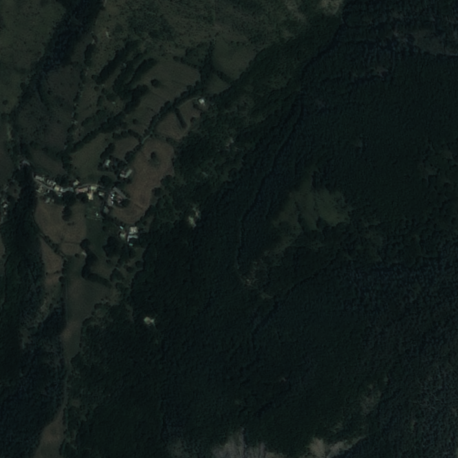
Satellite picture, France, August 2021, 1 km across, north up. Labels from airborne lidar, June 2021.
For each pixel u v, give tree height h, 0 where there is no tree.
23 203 21
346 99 14
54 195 11
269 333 15
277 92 11
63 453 14
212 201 24
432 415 18
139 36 7
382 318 23
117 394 13
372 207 15
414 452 16
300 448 16
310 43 13
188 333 29
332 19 9
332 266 18
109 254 16
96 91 10
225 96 15
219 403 14
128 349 25
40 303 8
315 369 10
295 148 25
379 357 20
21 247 23
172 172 0
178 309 28
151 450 29
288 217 0
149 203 0
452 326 16
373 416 15
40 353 19
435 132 15
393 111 18
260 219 17
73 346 0
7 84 0
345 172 16
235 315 19
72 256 0
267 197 18
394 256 10
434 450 7
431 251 19
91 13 21
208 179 8
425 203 19
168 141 11
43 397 15
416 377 20
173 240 10
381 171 14
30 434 12
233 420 15
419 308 31
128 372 23
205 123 17
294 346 18
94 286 0
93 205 0
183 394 20
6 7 0
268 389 28
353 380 22
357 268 19
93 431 26
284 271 22
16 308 13
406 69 15
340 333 18
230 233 17
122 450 21
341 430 8
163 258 24
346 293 19
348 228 21
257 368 19
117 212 0
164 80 0
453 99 16
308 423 19
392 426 24
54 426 0
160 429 22
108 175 0
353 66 13
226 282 17
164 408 18
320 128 16
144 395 23
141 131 0
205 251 21
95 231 0
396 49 18
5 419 18
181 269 32
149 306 27
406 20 13
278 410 17
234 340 15
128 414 22
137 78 17
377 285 19
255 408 11
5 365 19
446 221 19
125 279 9
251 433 17
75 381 7
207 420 14
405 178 14
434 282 25
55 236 0
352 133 17
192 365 25
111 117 7
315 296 14
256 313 12
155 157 11
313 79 16
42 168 0
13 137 8
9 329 20
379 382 14
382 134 16
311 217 0
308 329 14
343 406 14
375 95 17
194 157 21
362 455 16
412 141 15
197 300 22
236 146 10
